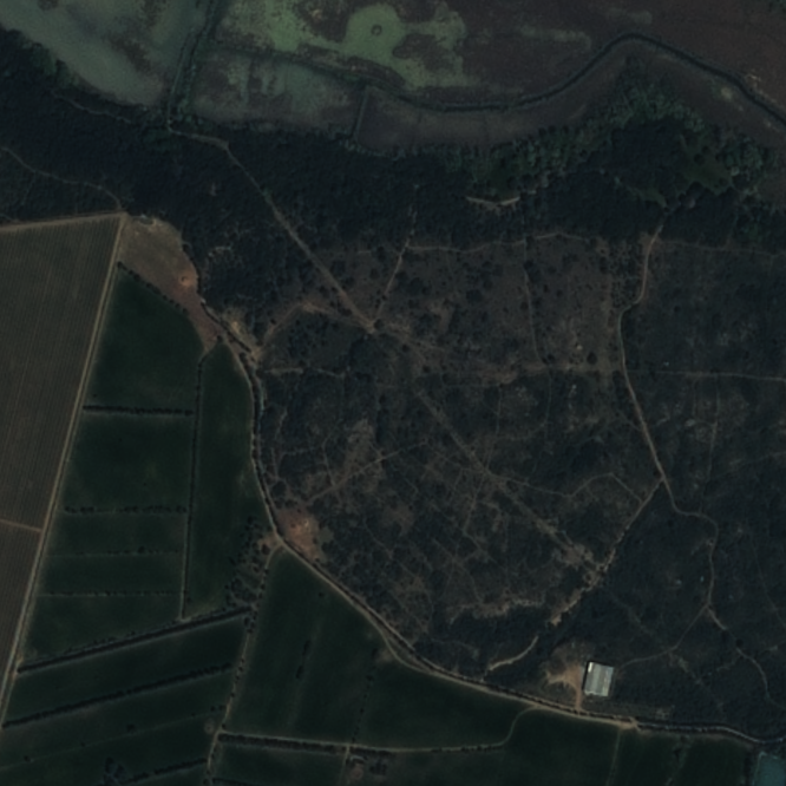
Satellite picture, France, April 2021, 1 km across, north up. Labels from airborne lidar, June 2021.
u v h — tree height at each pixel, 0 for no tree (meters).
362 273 0
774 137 0
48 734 0
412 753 0
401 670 0
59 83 17
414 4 0
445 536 5
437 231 8
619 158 11
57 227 0
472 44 0
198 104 0
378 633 0
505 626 7
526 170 0
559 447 5
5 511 0
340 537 6
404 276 7
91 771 0
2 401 0
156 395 0
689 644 0
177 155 12
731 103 0
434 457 0
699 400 0
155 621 0
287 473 5
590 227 9
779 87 0
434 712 0
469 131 0
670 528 8
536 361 0
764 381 0
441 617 6
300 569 0
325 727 0
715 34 0
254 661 0
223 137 11
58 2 0
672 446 0
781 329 0
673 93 8
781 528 7
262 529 6
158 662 0
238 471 0
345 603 0
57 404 0
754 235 9
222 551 0
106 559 0
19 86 15
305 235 7
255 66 0
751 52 0
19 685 0
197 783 0
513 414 0
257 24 0
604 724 0
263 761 0
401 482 7
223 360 0
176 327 0
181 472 0
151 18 0
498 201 9
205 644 0
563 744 0
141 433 0
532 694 0
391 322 0
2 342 0
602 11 0
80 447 0
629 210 14
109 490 0
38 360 0
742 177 10
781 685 6
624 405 6
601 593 7
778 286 5
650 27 0
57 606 0
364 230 6
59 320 0
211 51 0
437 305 0
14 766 0
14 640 0
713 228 8
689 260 0
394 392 0
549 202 6
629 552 6
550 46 0
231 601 9
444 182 12
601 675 0
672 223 9
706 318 0
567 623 6
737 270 0
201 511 0
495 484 0
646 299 0
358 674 0
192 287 0
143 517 0
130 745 0
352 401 0
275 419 12
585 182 11
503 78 0
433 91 0
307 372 7
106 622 0
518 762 0
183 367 0
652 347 0
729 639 16
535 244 8
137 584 0
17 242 0
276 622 0
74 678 0
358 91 0
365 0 0
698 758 0
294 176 9
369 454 0
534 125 0
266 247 7
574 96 0
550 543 7
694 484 0
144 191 9
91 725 0
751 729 6
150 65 0
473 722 0
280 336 0
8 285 0
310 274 9
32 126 9
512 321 0
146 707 0
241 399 0
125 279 0
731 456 0
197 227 12
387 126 0
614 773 0
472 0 0
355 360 13
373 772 9
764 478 5
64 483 0
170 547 0
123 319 0
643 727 6
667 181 15
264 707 0
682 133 9
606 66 0
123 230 0
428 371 10
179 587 0
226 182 7
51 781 0
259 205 8
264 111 0
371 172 11
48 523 0
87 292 0
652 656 0
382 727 0
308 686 0
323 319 10
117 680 0
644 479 0
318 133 9
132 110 11
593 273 0
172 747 0
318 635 0
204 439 0
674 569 0
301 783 0
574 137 9
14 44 14
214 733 0
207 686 0
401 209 10
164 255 0
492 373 0
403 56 0
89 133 11
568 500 0
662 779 0
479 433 0
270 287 9
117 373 0
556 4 0
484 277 6
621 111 14
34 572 0
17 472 0
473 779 0
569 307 0
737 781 0
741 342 0
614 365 0
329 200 10
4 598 0
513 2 0
